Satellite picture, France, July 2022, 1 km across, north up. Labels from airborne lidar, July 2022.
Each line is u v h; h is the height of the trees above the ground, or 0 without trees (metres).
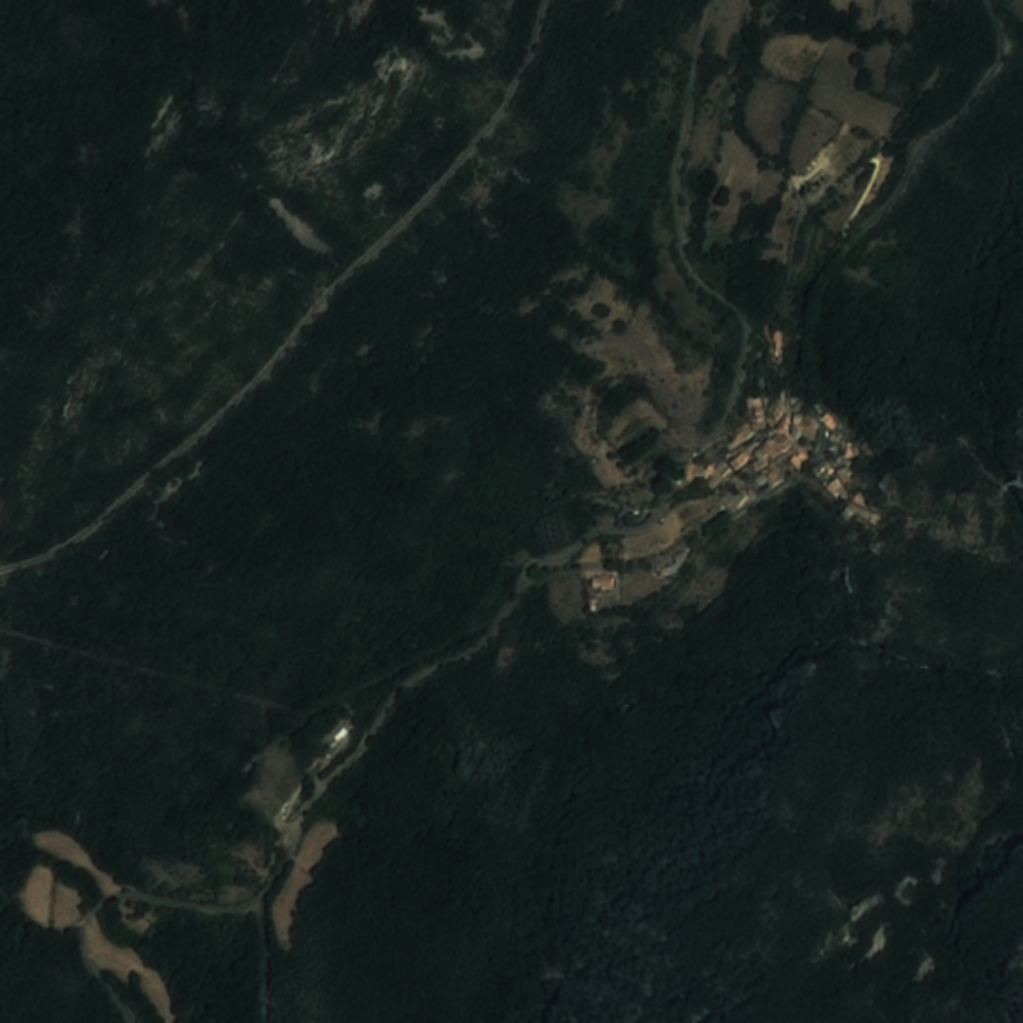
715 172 8
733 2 0
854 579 11
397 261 8
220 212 9
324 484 15
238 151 14
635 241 11
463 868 23
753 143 7
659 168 9
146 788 7
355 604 8
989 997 12
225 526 16
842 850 9
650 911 7
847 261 11
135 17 10
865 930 11
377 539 8
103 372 11
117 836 8
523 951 10
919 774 7
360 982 17
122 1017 9
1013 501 10
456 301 12
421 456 6
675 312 7
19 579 11
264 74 14
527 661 11
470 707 12
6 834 6
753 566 14
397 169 7
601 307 7
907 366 18
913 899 10
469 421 6
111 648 9
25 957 12
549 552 10
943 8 10
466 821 14
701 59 8
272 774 0
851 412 10
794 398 8
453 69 8
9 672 8
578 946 8
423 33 10
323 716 9
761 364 12
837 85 0
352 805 12
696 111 7
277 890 10
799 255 7
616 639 7
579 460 8
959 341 11
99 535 10
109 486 7
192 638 7
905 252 7
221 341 6
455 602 11
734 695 15
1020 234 24
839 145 0
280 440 12
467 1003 8
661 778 11
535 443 8
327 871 14
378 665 9
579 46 13
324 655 7
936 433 7
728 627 8
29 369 10
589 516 8
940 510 6
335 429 12
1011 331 15
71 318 12
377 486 11
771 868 7
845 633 12
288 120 15
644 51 11
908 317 8
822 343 17
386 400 12
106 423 11
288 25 14
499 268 17
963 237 11
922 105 8
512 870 14
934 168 11
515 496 8
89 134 6
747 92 9
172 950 13
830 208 8
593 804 10
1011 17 11
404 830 20
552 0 6
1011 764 8
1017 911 7
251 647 9
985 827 12
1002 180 14
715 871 8
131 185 12
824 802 8
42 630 12
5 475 6
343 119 18
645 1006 6
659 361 0
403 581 9
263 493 16
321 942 11
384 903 18
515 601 15
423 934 12
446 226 8
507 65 7
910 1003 12
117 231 14
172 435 5
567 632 9
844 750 11
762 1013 7
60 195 6
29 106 6
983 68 9
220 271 11
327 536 12
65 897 0
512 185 14
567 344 11
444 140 6
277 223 10
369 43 20
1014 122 9
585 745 16
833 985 15
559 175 7
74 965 7
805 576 20
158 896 8
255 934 11
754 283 12
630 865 8
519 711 11
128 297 8
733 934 7
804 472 14
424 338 6
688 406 0
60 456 11
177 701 10
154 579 10
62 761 9
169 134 6
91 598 13
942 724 6
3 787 12
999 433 10
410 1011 13
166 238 8
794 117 6
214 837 7
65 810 8
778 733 6
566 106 10
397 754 15
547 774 13
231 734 8
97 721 8
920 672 9
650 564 7
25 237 6
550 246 12
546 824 14
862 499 7
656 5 10
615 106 8
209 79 21
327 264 7
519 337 11
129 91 7
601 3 8
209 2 14
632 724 13
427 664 8
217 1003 14
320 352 6
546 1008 6
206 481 11
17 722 19
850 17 9
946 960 12
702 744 9
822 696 8
